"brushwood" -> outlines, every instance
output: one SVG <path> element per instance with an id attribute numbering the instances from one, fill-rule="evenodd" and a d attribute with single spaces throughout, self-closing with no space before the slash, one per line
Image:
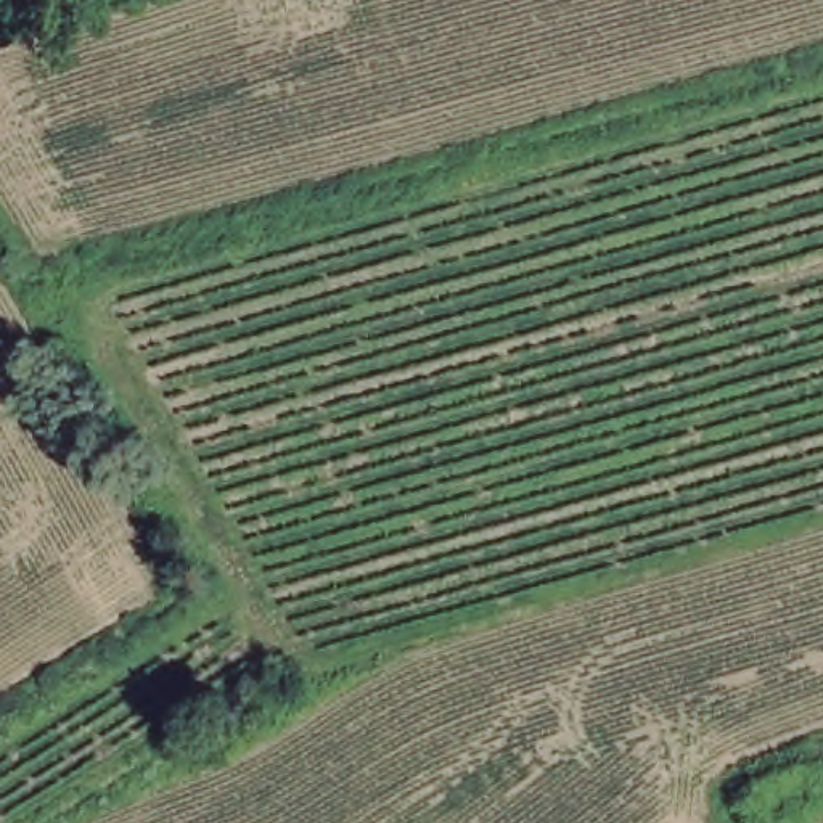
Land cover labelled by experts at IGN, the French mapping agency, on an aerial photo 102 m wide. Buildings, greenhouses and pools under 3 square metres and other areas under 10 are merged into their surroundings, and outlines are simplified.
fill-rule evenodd
<path id="1" fill-rule="evenodd" d="M 752 784 L 739 800 L 743 823 L 823 823 L 823 765 L 794 765 L 781 775 Z"/>

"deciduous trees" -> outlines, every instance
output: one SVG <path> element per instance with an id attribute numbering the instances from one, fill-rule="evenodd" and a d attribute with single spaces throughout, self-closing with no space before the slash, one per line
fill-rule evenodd
<path id="1" fill-rule="evenodd" d="M 174 595 L 183 585 L 190 588 L 190 559 L 180 553 L 180 527 L 174 518 L 158 514 L 154 540 L 154 547 L 167 553 L 167 579 L 161 588 Z"/>
<path id="2" fill-rule="evenodd" d="M 42 39 L 39 55 L 51 64 L 51 71 L 68 71 L 80 61 L 80 55 L 71 48 L 77 32 L 106 35 L 109 13 L 145 16 L 145 3 L 174 0 L 0 0 L 0 48 L 10 42 L 26 45 L 29 39 Z"/>
<path id="3" fill-rule="evenodd" d="M 93 463 L 90 485 L 103 489 L 103 495 L 109 495 L 116 508 L 129 514 L 129 508 L 145 492 L 170 482 L 170 460 L 158 457 L 135 434 L 135 428 L 122 424 L 122 415 L 116 412 L 116 383 L 103 366 L 90 373 L 87 360 L 74 360 L 51 341 L 39 347 L 29 344 L 16 344 L 0 360 L 0 412 L 6 418 L 16 418 L 19 428 L 29 421 L 48 421 L 48 437 L 58 434 L 58 447 L 71 450 L 64 466 L 80 473 L 80 463 Z"/>
<path id="4" fill-rule="evenodd" d="M 206 768 L 231 768 L 254 749 L 270 746 L 293 727 L 299 727 L 302 720 L 296 707 L 296 698 L 302 694 L 299 662 L 280 646 L 264 646 L 267 665 L 260 678 L 241 682 L 241 688 L 228 688 L 225 698 L 186 698 L 167 714 L 167 723 L 164 743 L 154 746 L 154 752 L 174 762 L 177 772 L 190 778 L 199 778 Z"/>

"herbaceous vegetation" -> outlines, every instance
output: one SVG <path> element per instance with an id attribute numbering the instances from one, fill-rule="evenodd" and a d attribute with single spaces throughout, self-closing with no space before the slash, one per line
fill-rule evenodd
<path id="1" fill-rule="evenodd" d="M 730 765 L 707 797 L 707 823 L 743 823 L 739 800 L 752 784 L 781 775 L 794 765 L 823 765 L 823 730 L 794 736 L 775 749 L 765 749 Z"/>
<path id="2" fill-rule="evenodd" d="M 174 762 L 154 752 L 154 746 L 164 743 L 167 723 L 151 720 L 129 743 L 116 746 L 113 759 L 93 759 L 77 775 L 64 778 L 35 800 L 13 807 L 0 817 L 0 823 L 96 823 L 122 807 L 154 797 L 190 778 L 177 772 Z"/>
<path id="3" fill-rule="evenodd" d="M 177 424 L 170 408 L 164 408 L 164 389 L 145 383 L 145 370 L 151 370 L 151 354 L 145 344 L 138 350 L 129 350 L 132 331 L 125 328 L 125 321 L 113 315 L 113 302 L 116 293 L 125 289 L 164 283 L 170 276 L 219 264 L 228 264 L 231 270 L 251 254 L 267 254 L 331 231 L 350 231 L 389 215 L 408 215 L 412 209 L 424 209 L 460 193 L 498 190 L 521 177 L 534 177 L 592 158 L 608 158 L 624 148 L 640 148 L 646 141 L 682 145 L 694 129 L 720 125 L 739 116 L 759 116 L 762 109 L 823 93 L 823 39 L 788 48 L 781 55 L 762 55 L 730 68 L 714 68 L 714 74 L 656 84 L 630 96 L 595 100 L 579 113 L 569 109 L 482 138 L 447 141 L 424 154 L 341 170 L 325 180 L 302 180 L 296 186 L 283 186 L 264 196 L 225 203 L 203 212 L 186 212 L 116 235 L 77 238 L 55 254 L 35 254 L 29 235 L 0 212 L 0 289 L 16 302 L 23 325 L 35 328 L 29 344 L 39 347 L 51 341 L 74 360 L 87 360 L 90 373 L 103 366 L 116 383 L 116 412 L 122 415 L 122 424 L 135 428 L 135 434 L 158 457 L 170 460 L 170 482 L 145 492 L 129 508 L 129 514 L 132 530 L 148 534 L 154 540 L 158 514 L 174 518 L 180 527 L 180 553 L 190 559 L 190 588 L 183 585 L 174 595 L 161 588 L 151 585 L 151 601 L 145 608 L 122 611 L 116 624 L 64 649 L 58 659 L 39 662 L 23 682 L 16 682 L 0 698 L 0 752 L 6 759 L 19 759 L 19 739 L 26 733 L 55 720 L 68 704 L 100 691 L 103 685 L 125 682 L 129 672 L 145 665 L 148 659 L 167 656 L 203 620 L 228 620 L 231 646 L 241 656 L 251 643 L 264 646 L 280 646 L 299 662 L 302 694 L 296 698 L 296 707 L 302 720 L 315 714 L 321 704 L 338 701 L 347 691 L 366 685 L 370 672 L 376 672 L 379 665 L 395 669 L 392 662 L 399 659 L 399 653 L 415 649 L 418 640 L 444 643 L 453 637 L 473 637 L 521 617 L 553 611 L 569 601 L 608 595 L 624 585 L 704 566 L 743 550 L 759 550 L 823 527 L 823 508 L 765 527 L 739 530 L 720 540 L 704 540 L 672 553 L 659 553 L 643 563 L 608 566 L 604 572 L 543 585 L 457 614 L 418 620 L 357 643 L 315 649 L 315 633 L 296 637 L 289 630 L 286 617 L 299 611 L 296 601 L 283 601 L 276 608 L 276 598 L 267 588 L 267 582 L 280 582 L 276 572 L 264 572 L 264 563 L 270 563 L 270 556 L 235 553 L 225 547 L 228 530 L 238 527 L 238 518 L 222 514 L 228 495 L 215 492 L 215 485 L 222 482 L 222 476 L 203 473 L 196 447 L 177 440 L 183 428 Z"/>

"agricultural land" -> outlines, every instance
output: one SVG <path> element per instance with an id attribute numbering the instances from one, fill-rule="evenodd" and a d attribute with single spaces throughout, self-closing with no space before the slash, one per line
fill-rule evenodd
<path id="1" fill-rule="evenodd" d="M 0 412 L 0 698 L 16 682 L 23 682 L 39 662 L 58 659 L 64 649 L 116 624 L 122 611 L 145 608 L 151 601 L 151 585 L 161 588 L 167 579 L 167 553 L 154 547 L 154 540 L 148 534 L 132 530 L 129 514 L 116 508 L 109 495 L 103 495 L 103 489 L 90 485 L 93 463 L 80 463 L 80 473 L 64 466 L 71 450 L 58 447 L 58 434 L 48 437 L 48 421 L 29 421 L 19 428 L 16 418 L 6 418 Z"/>
<path id="2" fill-rule="evenodd" d="M 553 611 L 521 617 L 473 637 L 453 637 L 444 643 L 418 640 L 415 649 L 399 653 L 399 659 L 392 662 L 395 669 L 379 665 L 376 672 L 370 672 L 366 685 L 347 691 L 338 701 L 321 704 L 315 714 L 302 720 L 299 727 L 293 727 L 270 746 L 254 749 L 231 768 L 206 768 L 199 778 L 190 778 L 154 797 L 122 807 L 96 823 L 707 823 L 707 797 L 730 765 L 765 749 L 775 749 L 794 736 L 823 730 L 823 527 L 759 550 L 743 550 L 704 566 L 624 585 L 608 595 L 569 601 Z"/>
<path id="3" fill-rule="evenodd" d="M 16 344 L 29 344 L 35 328 L 23 325 L 16 302 L 0 289 L 0 360 Z"/>
<path id="4" fill-rule="evenodd" d="M 51 71 L 51 64 L 39 55 L 42 39 L 29 39 L 26 45 L 10 42 L 0 48 L 0 212 L 29 235 L 35 254 L 55 254 L 77 238 L 116 235 L 186 212 L 203 212 L 225 203 L 264 196 L 283 186 L 296 186 L 302 180 L 325 180 L 341 170 L 424 154 L 447 141 L 482 138 L 569 109 L 579 113 L 595 100 L 630 96 L 656 84 L 714 74 L 714 68 L 730 68 L 762 55 L 781 55 L 788 48 L 823 39 L 823 0 L 174 0 L 145 3 L 145 16 L 109 13 L 106 35 L 77 32 L 71 48 L 80 55 L 80 61 L 68 71 Z"/>

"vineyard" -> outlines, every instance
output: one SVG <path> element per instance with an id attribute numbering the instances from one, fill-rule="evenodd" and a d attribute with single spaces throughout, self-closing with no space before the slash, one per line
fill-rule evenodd
<path id="1" fill-rule="evenodd" d="M 228 530 L 225 547 L 235 553 L 270 556 L 270 563 L 264 563 L 264 572 L 276 572 L 280 582 L 267 582 L 267 588 L 276 598 L 276 608 L 283 601 L 296 601 L 299 611 L 286 617 L 289 630 L 296 637 L 315 633 L 315 649 L 357 643 L 418 620 L 457 614 L 543 585 L 604 572 L 608 566 L 643 563 L 659 553 L 672 553 L 704 540 L 720 540 L 739 530 L 765 527 L 823 508 L 823 93 L 762 109 L 759 116 L 739 116 L 720 125 L 694 129 L 682 145 L 646 141 L 640 148 L 624 148 L 608 158 L 592 158 L 534 177 L 521 177 L 498 190 L 460 193 L 424 209 L 412 209 L 408 215 L 389 215 L 350 231 L 331 231 L 267 254 L 251 254 L 231 270 L 228 264 L 219 264 L 170 276 L 164 283 L 125 289 L 116 293 L 113 302 L 113 315 L 125 321 L 125 328 L 132 331 L 129 350 L 138 350 L 145 344 L 151 354 L 151 370 L 145 370 L 145 383 L 164 389 L 164 408 L 170 408 L 177 424 L 183 428 L 177 440 L 196 447 L 203 473 L 222 476 L 222 482 L 215 485 L 215 492 L 228 495 L 222 514 L 238 518 L 238 527 Z"/>
<path id="2" fill-rule="evenodd" d="M 19 759 L 6 759 L 0 752 L 0 817 L 13 807 L 35 800 L 64 778 L 77 775 L 93 759 L 113 759 L 116 746 L 129 743 L 151 720 L 167 723 L 167 714 L 186 698 L 225 698 L 228 688 L 241 688 L 241 682 L 260 678 L 267 665 L 264 646 L 251 643 L 241 656 L 231 646 L 228 620 L 203 620 L 167 656 L 148 659 L 145 665 L 129 672 L 125 682 L 103 685 L 100 691 L 68 704 L 55 720 L 26 733 L 19 739 Z"/>

